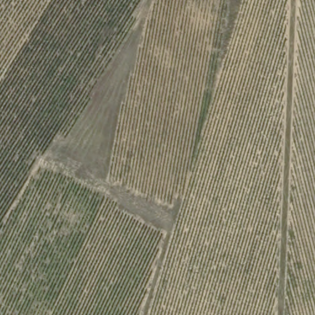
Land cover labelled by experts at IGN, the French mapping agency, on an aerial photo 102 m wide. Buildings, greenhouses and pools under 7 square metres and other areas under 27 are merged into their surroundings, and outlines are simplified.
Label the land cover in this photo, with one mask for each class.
<instances>
[{"label":"vineyard","instance_id":"1","mask_svg":"<svg viewBox=\"0 0 315 315\"><path fill-rule=\"evenodd\" d=\"M0 315H315V0H0Z\"/></svg>","mask_w":315,"mask_h":315}]
</instances>
